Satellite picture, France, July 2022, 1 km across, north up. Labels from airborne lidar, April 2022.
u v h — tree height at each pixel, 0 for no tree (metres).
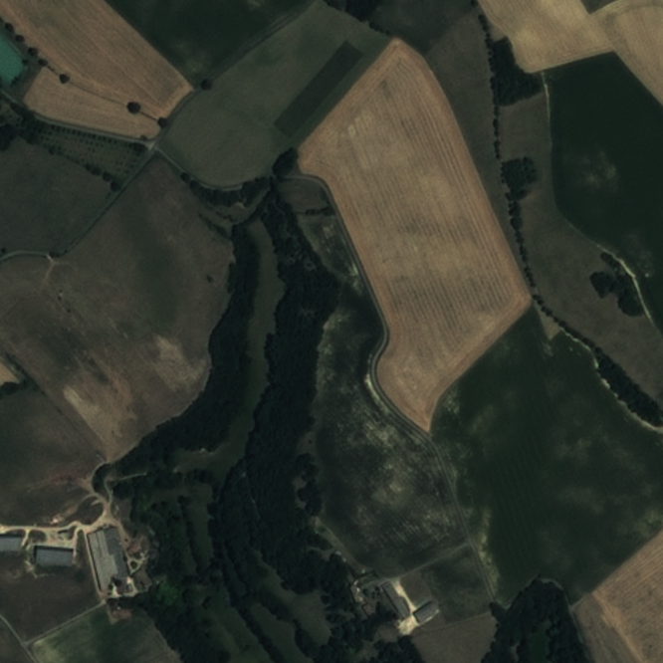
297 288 20
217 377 13
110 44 0
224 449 0
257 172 0
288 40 0
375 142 0
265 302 0
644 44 0
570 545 0
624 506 0
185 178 15
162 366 0
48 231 0
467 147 0
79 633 0
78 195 0
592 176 0
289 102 0
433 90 0
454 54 0
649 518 0
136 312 0
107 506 0
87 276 0
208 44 0
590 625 0
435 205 0
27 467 0
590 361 0
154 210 0
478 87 0
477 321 0
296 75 0
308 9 0
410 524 0
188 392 0
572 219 0
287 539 18
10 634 0
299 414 16
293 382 20
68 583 0
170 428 11
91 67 0
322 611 0
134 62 0
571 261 0
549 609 23
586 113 0
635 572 0
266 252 0
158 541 6
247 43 0
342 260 0
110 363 0
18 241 0
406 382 0
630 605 0
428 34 0
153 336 0
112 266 0
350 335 0
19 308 0
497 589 0
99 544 0
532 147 0
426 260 0
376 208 0
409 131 0
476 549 0
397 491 0
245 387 19
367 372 0
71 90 0
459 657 0
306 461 12
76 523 0
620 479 0
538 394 0
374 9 13
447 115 0
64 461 0
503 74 14
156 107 0
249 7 0
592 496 0
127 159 0
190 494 0
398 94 0
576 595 0
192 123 0
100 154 0
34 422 0
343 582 9
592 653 0
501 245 0
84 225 0
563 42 0
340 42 0
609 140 0
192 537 8
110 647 0
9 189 0
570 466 0
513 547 0
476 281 0
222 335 13
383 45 0
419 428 0
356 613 9
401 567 0
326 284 7
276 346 17
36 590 0
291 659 0
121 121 0
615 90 0
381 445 0
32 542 0
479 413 0
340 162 0
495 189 0
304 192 0
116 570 0
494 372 0
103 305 0
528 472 0
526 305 0
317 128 0
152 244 0
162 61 0
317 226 0
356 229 0
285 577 14
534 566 0
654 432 0
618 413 0
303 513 14
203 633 7
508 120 0
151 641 0
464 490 0
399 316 0
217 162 0
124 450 0
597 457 0
